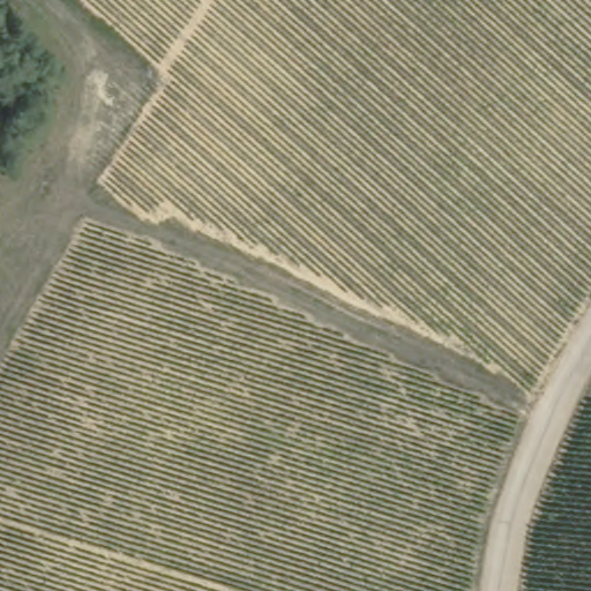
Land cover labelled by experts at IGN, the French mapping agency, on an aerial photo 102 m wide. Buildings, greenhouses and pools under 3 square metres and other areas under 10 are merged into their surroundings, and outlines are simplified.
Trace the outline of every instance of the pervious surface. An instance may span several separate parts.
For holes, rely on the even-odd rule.
[[[547,482],[549,469],[566,436],[570,418],[575,416],[584,388],[591,379],[591,309],[579,326],[566,326],[561,335],[561,339],[568,344],[566,353],[561,356],[556,367],[547,362],[536,379],[540,386],[545,386],[545,395],[533,409],[533,416],[522,434],[517,455],[513,459],[503,487],[503,496],[494,513],[480,591],[519,591],[524,586],[522,563],[526,552],[526,536],[531,522],[538,517],[540,492]]]

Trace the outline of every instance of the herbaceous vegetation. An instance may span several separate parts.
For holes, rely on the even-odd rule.
[[[9,358],[16,353],[12,349],[12,337],[25,321],[28,309],[44,289],[65,247],[69,245],[74,226],[83,217],[118,224],[118,215],[125,208],[102,189],[99,175],[122,145],[122,141],[129,136],[132,125],[141,115],[150,95],[155,92],[159,78],[159,72],[152,65],[148,65],[148,60],[141,53],[136,53],[111,25],[92,16],[78,0],[2,0],[9,9],[14,9],[14,14],[23,23],[44,30],[48,53],[60,60],[60,76],[48,78],[42,85],[42,92],[46,92],[55,102],[55,109],[48,122],[37,129],[37,139],[32,141],[32,155],[25,157],[21,164],[12,162],[9,166],[0,169],[0,362],[7,365]]]

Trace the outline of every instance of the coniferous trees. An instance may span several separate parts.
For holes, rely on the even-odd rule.
[[[37,139],[37,129],[48,122],[55,109],[55,102],[46,92],[42,92],[42,85],[48,78],[60,76],[60,60],[48,53],[44,30],[23,23],[14,14],[14,9],[9,9],[2,0],[0,0],[0,169],[9,166],[12,162],[21,164],[25,157],[32,155],[32,141]]]

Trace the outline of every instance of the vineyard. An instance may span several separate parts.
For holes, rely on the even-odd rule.
[[[556,367],[561,356],[566,353],[568,344],[561,339],[561,335],[566,326],[579,326],[591,309],[591,0],[78,0],[92,16],[111,25],[136,53],[141,53],[148,60],[148,65],[152,65],[159,72],[159,78],[155,92],[150,95],[141,115],[132,125],[129,136],[122,141],[122,145],[99,175],[102,189],[125,208],[118,215],[118,224],[83,217],[74,226],[69,245],[65,247],[44,289],[28,309],[25,321],[12,337],[12,349],[16,353],[9,358],[7,365],[0,362],[0,591],[480,591],[494,513],[503,496],[503,487],[513,459],[517,455],[522,434],[533,416],[533,409],[545,395],[545,386],[540,386],[536,379],[547,362]]]
[[[584,388],[575,416],[570,418],[566,436],[549,469],[547,482],[540,492],[538,517],[531,522],[526,536],[526,552],[522,563],[524,586],[519,591],[591,591],[591,379]]]

